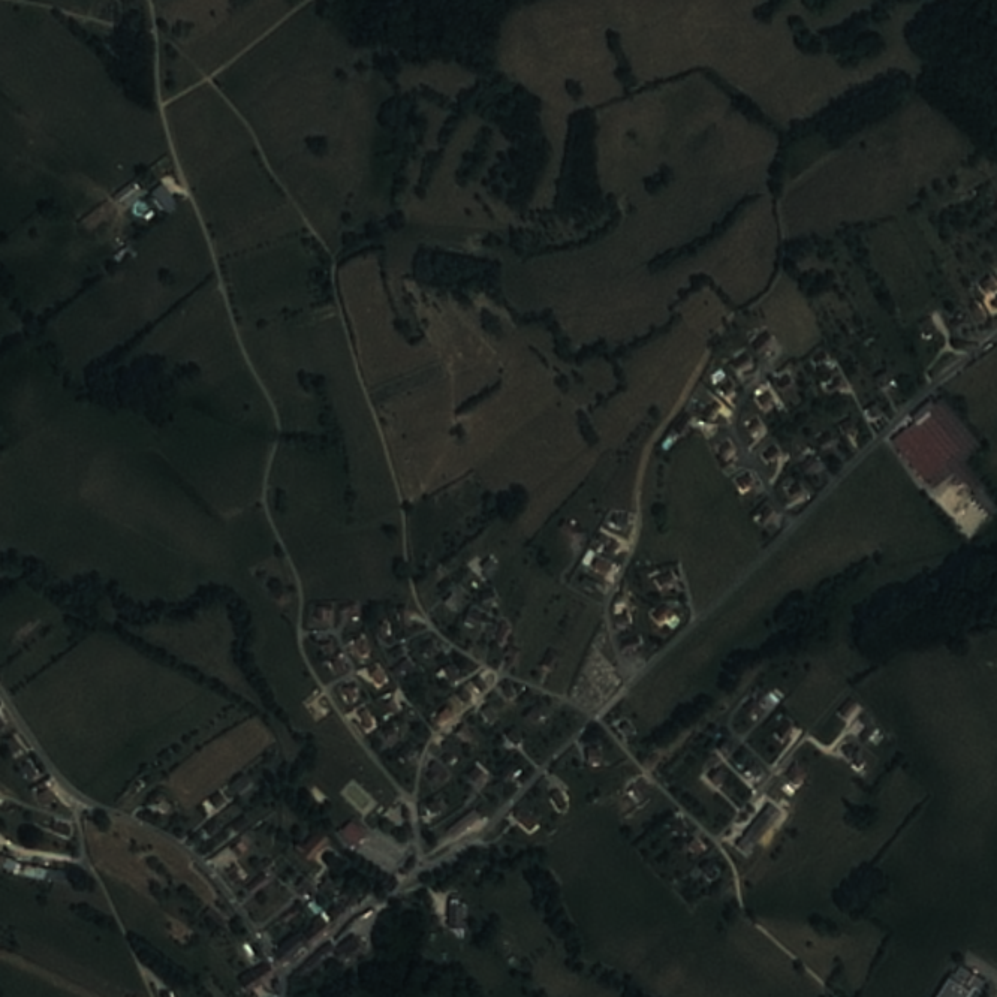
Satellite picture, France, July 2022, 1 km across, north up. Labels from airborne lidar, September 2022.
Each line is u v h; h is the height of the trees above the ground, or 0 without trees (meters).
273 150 0
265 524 0
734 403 0
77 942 0
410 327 10
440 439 0
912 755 0
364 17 7
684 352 0
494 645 9
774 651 19
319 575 0
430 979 10
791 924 0
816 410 8
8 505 0
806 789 0
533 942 0
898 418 0
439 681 10
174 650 0
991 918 0
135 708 0
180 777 0
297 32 0
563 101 0
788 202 0
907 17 0
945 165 0
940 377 0
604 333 0
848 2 0
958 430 0
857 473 0
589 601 0
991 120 19
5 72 0
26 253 0
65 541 0
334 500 0
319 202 0
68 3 0
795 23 13
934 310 0
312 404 0
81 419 0
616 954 0
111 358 13
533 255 7
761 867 0
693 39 0
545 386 0
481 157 13
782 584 0
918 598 25
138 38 19
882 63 0
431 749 0
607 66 0
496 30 20
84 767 0
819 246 20
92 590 22
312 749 11
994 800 0
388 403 0
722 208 0
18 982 0
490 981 0
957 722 0
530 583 0
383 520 0
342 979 17
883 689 0
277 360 0
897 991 0
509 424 0
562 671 0
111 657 0
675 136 0
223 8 0
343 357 0
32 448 0
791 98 0
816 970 0
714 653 0
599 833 0
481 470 0
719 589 0
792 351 0
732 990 0
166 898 8
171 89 11
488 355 0
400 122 7
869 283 9
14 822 0
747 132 0
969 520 0
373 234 19
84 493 0
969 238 0
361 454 0
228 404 0
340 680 0
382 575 0
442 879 12
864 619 25
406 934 13
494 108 8
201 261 0
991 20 15
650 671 0
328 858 12
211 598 18
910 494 0
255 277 0
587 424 11
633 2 0
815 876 0
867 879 24
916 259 0
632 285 0
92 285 10
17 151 0
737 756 10
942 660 0
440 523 0
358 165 0
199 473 0
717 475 0
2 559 19
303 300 0
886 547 0
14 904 0
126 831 0
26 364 0
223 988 6
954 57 19
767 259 0
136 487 0
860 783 11
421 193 15
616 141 0
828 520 0
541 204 0
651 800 0
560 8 0
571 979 0
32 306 0
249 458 0
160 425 10
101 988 0
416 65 16
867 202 0
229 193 0
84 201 0
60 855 0
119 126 0
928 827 0
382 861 0
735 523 0
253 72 0
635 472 0
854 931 0
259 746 0
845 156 0
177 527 0
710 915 0
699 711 15
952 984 0
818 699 0
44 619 0
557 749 0
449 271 16
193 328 0
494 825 0
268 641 0
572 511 0
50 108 0
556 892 16
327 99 0
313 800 10
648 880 0
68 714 0
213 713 0
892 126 0
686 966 0
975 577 25
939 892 0
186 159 0
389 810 0
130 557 0
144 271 0
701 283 13
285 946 0
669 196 0
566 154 7
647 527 0
